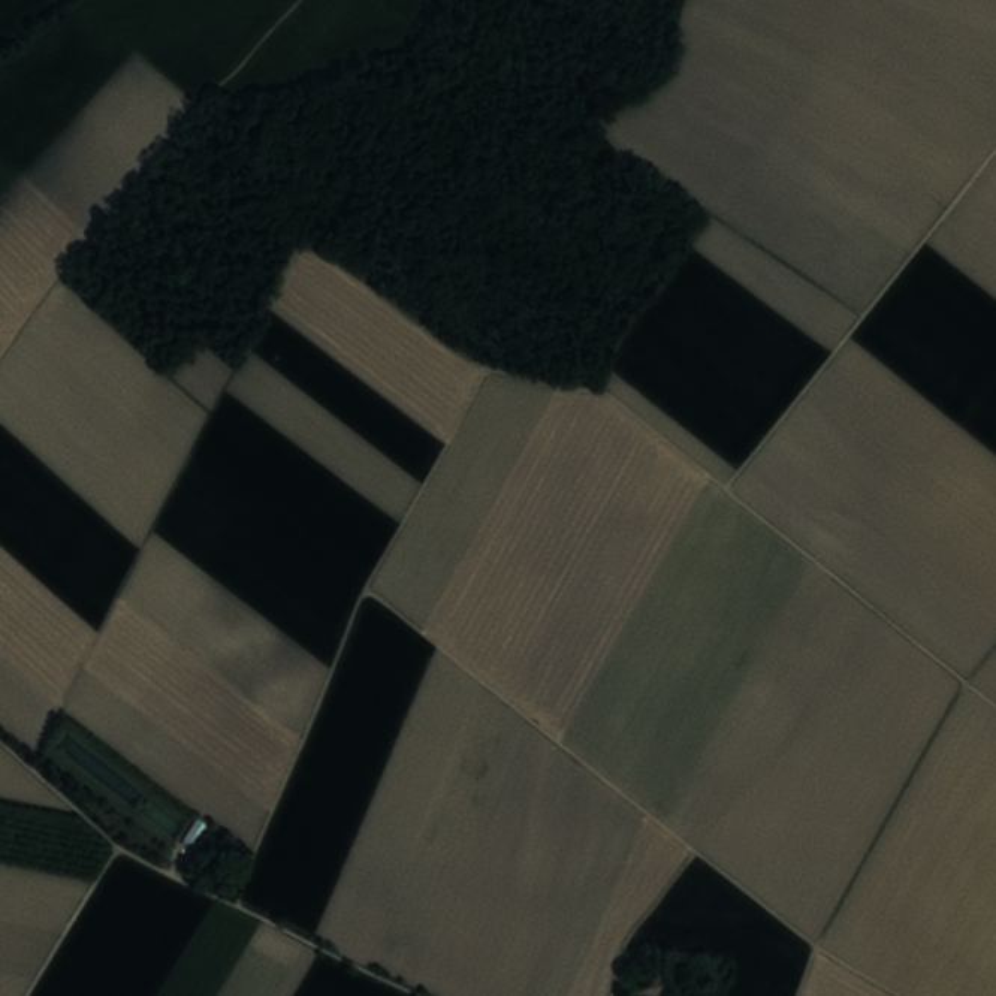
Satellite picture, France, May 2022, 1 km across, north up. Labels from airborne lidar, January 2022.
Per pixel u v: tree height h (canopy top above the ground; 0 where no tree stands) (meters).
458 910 0
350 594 0
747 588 0
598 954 0
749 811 0
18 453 0
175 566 0
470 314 18
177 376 0
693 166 0
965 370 0
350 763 0
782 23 0
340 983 0
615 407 0
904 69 0
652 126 0
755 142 0
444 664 0
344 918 0
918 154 0
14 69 0
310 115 26
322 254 20
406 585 0
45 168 0
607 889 0
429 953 0
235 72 0
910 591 0
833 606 0
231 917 0
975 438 0
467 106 21
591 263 25
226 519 0
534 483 0
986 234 0
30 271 0
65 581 0
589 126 27
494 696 0
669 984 11
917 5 0
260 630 0
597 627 0
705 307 0
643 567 0
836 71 0
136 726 0
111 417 0
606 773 0
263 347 0
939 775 0
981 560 0
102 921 0
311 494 0
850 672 0
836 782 0
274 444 0
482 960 0
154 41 0
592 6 20
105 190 0
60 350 0
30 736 0
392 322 0
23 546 0
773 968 0
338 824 0
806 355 0
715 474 0
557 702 0
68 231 0
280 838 0
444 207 27
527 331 22
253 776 0
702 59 0
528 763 0
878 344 0
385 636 0
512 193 25
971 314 0
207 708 0
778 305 0
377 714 0
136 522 0
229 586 0
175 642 0
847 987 0
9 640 0
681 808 0
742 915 0
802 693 0
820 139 0
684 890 0
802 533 0
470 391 0
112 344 0
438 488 0
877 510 0
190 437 0
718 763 0
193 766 0
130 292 9
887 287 0
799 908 0
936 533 0
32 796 0
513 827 0
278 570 0
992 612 0
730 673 0
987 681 0
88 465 0
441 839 0
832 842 0
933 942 0
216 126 19
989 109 0
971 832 0
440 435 0
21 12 0
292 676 0
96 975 0
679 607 0
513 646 0
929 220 0
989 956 0
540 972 0
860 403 0
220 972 0
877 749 0
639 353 0
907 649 0
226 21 0
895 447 0
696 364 0
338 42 0
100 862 10
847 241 0
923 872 0
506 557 0
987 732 0
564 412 0
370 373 0
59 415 0
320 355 0
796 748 0
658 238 26
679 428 0
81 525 0
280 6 0
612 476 0
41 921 0
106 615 0
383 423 0
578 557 0
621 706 0
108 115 0
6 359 0
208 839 15
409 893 0
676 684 0
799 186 0
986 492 0
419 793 0
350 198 23
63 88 0
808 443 0
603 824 0
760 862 0
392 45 0
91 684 0
